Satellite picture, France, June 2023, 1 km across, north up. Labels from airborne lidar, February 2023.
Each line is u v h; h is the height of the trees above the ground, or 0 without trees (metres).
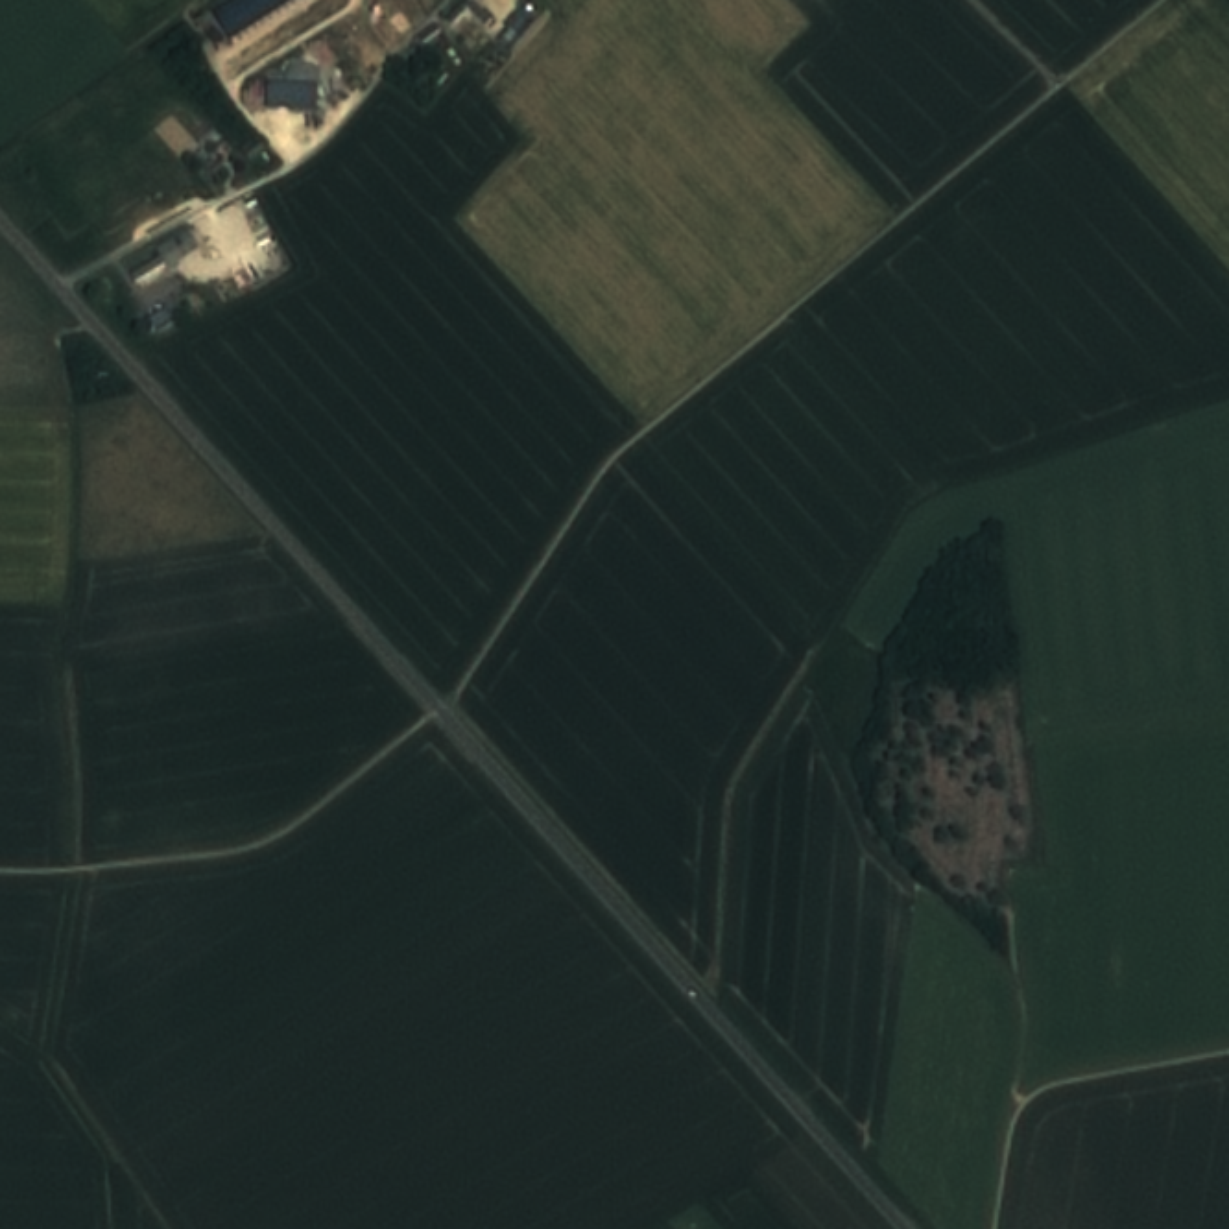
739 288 0
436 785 0
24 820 0
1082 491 0
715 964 0
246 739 0
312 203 0
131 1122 0
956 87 0
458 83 0
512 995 0
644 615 0
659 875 0
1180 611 0
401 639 0
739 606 0
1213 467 0
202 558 0
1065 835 0
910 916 0
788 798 0
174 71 6
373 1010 0
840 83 0
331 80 0
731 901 0
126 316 12
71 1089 0
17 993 0
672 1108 0
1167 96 0
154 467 0
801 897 0
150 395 0
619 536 0
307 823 0
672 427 0
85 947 0
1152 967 0
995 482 0
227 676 0
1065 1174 0
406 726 0
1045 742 0
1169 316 0
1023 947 0
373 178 0
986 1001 0
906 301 0
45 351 0
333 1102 0
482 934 0
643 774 0
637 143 0
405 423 0
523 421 0
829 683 0
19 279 0
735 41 0
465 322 0
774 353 0
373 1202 0
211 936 0
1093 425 0
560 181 0
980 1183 0
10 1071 0
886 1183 0
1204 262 0
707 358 0
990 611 20
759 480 0
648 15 0
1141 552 0
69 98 0
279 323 0
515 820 0
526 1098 0
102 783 0
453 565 0
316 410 0
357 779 0
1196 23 0
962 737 20
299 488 0
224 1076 0
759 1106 0
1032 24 0
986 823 0
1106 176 0
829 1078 0
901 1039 0
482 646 0
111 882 0
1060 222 0
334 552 0
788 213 0
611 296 0
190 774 0
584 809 0
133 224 0
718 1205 0
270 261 0
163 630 0
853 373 0
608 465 0
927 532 0
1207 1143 0
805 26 0
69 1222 0
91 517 0
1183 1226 0
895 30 0
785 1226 0
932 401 0
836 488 0
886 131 0
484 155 0
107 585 0
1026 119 0
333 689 0
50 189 0
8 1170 0
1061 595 0
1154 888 0
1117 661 0
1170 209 0
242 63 0
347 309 0
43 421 0
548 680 0
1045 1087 0
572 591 0
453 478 0
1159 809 0
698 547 0
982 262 0
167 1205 0
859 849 0
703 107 0
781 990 0
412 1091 0
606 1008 0
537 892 0
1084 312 0
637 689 0
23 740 0
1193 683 0
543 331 0
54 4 0
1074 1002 0
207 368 0
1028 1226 0
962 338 0
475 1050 0
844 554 0
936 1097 0
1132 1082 0
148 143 0
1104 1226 0
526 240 0
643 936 0
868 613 0
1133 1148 0
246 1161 0
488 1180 0
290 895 0
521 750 0
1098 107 0
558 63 0
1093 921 0
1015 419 0
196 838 0
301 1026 0
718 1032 0
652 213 0
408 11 0
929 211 0
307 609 0
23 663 0
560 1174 0
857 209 0
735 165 0
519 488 0
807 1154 0
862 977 0
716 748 0
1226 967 0
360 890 0
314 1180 0
